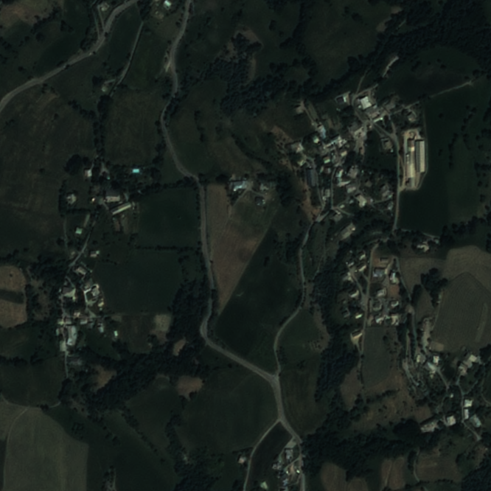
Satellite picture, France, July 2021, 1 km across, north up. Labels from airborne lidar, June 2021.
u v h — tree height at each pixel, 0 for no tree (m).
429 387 7
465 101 0
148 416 0
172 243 0
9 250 0
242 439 0
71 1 0
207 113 0
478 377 11
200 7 0
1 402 0
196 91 0
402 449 17
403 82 0
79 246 11
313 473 10
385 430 17
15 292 0
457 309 0
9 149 0
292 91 9
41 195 0
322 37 0
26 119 0
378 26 0
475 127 0
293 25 0
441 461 0
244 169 0
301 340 0
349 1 0
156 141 0
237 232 0
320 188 6
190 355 15
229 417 0
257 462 0
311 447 15
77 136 0
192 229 0
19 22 0
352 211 0
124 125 0
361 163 9
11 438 0
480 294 0
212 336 6
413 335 9
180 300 18
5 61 10
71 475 0
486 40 16
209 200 0
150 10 9
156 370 11
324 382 8
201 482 10
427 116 0
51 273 22
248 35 0
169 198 0
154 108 0
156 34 0
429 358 8
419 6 18
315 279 8
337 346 11
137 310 0
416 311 0
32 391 0
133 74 0
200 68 0
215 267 0
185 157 0
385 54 11
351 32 0
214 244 0
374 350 0
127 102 0
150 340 6
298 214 7
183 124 0
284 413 0
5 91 0
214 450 0
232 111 8
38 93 0
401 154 9
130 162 0
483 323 0
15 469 0
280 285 0
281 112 0
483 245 0
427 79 0
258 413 0
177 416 7
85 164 15
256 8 0
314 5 16
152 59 0
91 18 12
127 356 18
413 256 0
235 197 6
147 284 0
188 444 0
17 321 0
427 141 0
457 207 0
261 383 0
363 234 8
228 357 0
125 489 0
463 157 0
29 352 0
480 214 0
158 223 0
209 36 0
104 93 0
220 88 0
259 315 0
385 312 0
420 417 0
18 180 0
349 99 0
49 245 0
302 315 0
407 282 0
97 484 0
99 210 14
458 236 16
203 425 0
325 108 0
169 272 0
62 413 0
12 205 0
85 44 13
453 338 0
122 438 0
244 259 0
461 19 16
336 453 17
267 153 7
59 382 0
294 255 8
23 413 0
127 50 0
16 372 0
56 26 0
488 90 0
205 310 18
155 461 0
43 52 0
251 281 0
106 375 0
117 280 0
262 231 0
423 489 6
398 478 0
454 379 6
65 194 8
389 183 9
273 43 0
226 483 0
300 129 0
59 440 0
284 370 0
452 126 0
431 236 0
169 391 0
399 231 9
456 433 8
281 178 11
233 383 0
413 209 0
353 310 17
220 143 0
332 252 0
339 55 0
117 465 0
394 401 0
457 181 0
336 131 0
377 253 0
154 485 0
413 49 17
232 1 0
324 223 8
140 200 12
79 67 0
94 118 20
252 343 0
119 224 6
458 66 0
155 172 19
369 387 0
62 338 8
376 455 19
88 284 0
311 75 14
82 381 15
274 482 0
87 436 0
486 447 6
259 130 0
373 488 0
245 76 9
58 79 0
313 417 0
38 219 0
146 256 0
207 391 0
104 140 8
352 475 16
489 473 9
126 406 7
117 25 0
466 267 0
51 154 0
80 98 0
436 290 14
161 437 0
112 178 9
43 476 0
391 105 0
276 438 0
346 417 15
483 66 12
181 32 0
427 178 0
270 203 0
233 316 0
